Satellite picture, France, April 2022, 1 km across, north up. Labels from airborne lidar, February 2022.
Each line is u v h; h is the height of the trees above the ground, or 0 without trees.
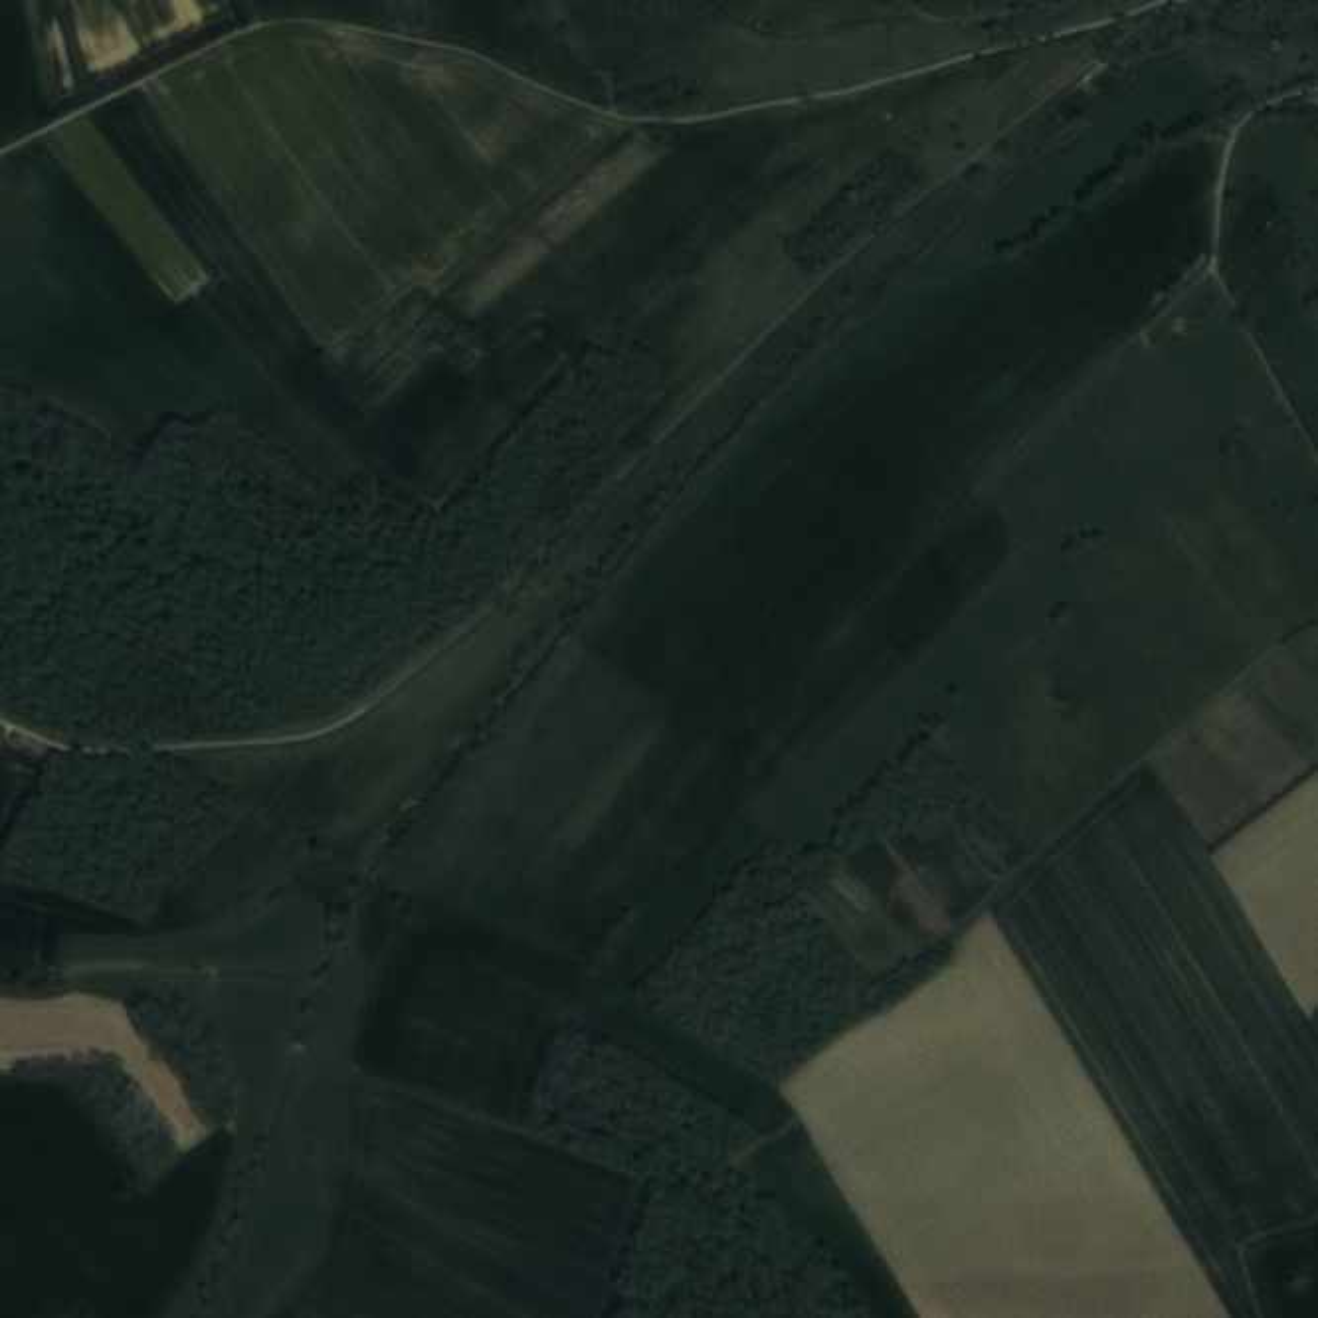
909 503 0
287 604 22
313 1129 0
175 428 19
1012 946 0
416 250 0
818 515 0
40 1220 0
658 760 0
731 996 14
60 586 23
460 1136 0
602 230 0
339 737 0
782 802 0
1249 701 0
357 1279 0
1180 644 0
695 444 0
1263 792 0
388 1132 0
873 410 0
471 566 21
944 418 0
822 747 0
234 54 0
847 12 0
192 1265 0
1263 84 0
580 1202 0
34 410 17
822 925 8
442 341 8
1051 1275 0
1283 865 0
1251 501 0
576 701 0
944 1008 0
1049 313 0
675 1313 27
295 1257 0
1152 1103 0
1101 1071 0
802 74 0
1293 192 0
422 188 0
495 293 0
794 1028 5
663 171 0
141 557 19
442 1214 0
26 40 0
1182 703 0
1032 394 0
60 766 15
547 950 0
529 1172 0
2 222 0
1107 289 0
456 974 0
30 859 16
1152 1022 0
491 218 0
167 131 0
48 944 0
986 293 0
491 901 0
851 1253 0
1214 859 0
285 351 0
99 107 0
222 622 21
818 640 0
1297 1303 0
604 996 0
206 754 0
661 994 16
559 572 15
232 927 0
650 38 0
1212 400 0
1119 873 0
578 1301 0
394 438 0
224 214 0
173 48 0
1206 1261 0
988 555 0
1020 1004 0
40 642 20
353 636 22
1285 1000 0
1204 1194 0
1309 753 0
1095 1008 0
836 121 0
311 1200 0
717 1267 28
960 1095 0
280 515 24
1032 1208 0
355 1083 0
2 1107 0
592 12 0
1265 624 0
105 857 19
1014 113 0
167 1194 0
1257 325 15
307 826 0
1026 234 0
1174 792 0
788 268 0
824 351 0
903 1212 0
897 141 0
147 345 0
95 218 0
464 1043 0
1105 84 0
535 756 0
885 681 0
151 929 0
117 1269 0
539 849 0
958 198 0
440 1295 0
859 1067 0
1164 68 0
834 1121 0
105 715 23
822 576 0
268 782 0
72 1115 0
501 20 0
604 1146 22
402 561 21
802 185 0
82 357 0
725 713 0
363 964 0
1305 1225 0
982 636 0
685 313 0
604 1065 22
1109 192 15
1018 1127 0
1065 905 0
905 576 0
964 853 0
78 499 14
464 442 0
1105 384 0
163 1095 0
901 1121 0
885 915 0
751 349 0
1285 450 0
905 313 0
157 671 15
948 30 0
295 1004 0
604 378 15
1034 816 0
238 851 0
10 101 0
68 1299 0
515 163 0
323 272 0
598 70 0
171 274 0
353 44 0
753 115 0
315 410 0
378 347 0
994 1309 0
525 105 0
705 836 0
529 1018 0
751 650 0
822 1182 0
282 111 0
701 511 0
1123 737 0
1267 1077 0
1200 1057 0
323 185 0
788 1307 28
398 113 0
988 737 0
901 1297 0
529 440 11
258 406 0
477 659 0
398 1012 0
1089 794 0
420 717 0
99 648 21
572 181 0
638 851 0
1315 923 0
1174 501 0
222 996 0
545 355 0
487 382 0
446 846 0
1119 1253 0
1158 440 0
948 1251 0
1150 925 0
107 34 0
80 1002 0
